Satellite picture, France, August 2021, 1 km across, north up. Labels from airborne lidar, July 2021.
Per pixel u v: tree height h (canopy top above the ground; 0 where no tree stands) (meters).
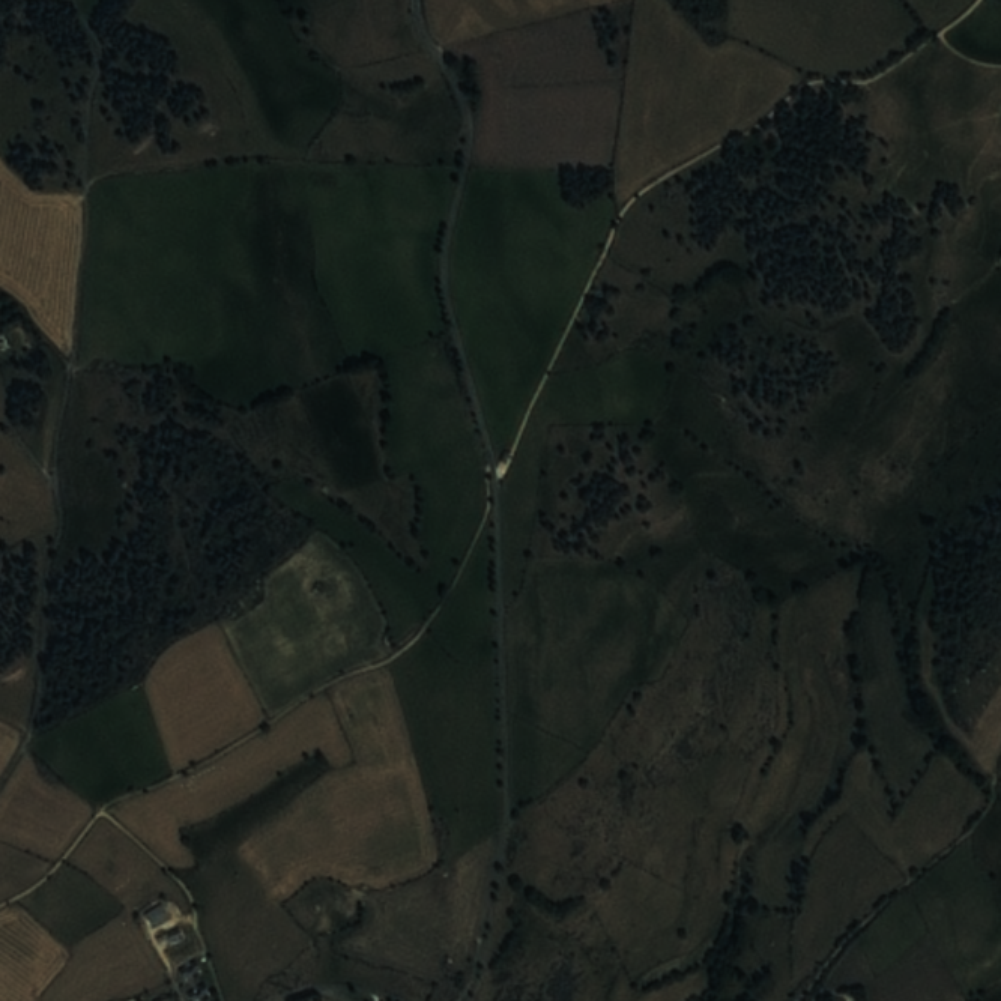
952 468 0
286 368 0
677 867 0
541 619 0
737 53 0
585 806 0
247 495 16
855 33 0
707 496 0
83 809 0
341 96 0
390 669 0
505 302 0
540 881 0
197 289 0
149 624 13
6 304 7
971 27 0
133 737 0
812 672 0
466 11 0
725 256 0
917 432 0
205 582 12
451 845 0
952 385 0
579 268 0
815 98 14
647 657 0
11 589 16
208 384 0
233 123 0
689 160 0
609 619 0
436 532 0
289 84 0
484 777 0
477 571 0
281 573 0
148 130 15
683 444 0
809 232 16
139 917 7
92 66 11
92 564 17
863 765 0
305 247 0
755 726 0
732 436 0
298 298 0
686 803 0
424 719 0
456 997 0
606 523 10
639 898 0
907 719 0
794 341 7
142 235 0
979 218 0
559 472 0
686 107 0
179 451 14
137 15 0
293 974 0
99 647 19
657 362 0
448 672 0
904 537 0
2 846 0
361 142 0
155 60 17
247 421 0
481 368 0
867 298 12
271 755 0
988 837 0
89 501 0
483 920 0
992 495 0
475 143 0
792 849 0
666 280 0
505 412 0
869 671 0
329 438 0
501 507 0
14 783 0
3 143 0
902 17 0
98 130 0
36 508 0
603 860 0
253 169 0
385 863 0
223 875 0
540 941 0
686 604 0
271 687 0
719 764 0
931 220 10
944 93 0
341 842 0
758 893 0
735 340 10
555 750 0
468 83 5
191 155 0
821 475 0
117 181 0
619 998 0
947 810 0
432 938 0
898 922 0
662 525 0
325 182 0
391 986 0
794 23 0
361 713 0
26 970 0
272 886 0
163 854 0
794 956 0
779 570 0
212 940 0
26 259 0
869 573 17
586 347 0
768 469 0
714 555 0
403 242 0
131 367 9
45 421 0
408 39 0
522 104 0
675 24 0
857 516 0
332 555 0
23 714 0
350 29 0
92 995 0
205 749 0
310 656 0
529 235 0
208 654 0
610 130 0
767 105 0
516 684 0
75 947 0
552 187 0
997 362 0
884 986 0
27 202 0
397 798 0
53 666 17
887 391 0
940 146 0
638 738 0
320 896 0
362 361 11
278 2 15
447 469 0
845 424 0
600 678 0
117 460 12
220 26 0
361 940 0
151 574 14
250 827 0
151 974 0
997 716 0
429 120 0
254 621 0
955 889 0
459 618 0
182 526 8
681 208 0
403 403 0
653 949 0
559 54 0
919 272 0
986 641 0
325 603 0
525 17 0
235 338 0
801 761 0
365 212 0
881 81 0
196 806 0
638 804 0
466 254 0
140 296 0
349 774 0
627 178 0
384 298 0
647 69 0
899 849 0
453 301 0
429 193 0
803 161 15
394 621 0
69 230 0
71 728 0
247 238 0
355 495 0
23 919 0
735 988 0
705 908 0
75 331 0
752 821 0
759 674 0
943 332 11
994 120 0
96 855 0
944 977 0
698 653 0
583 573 0
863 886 0
